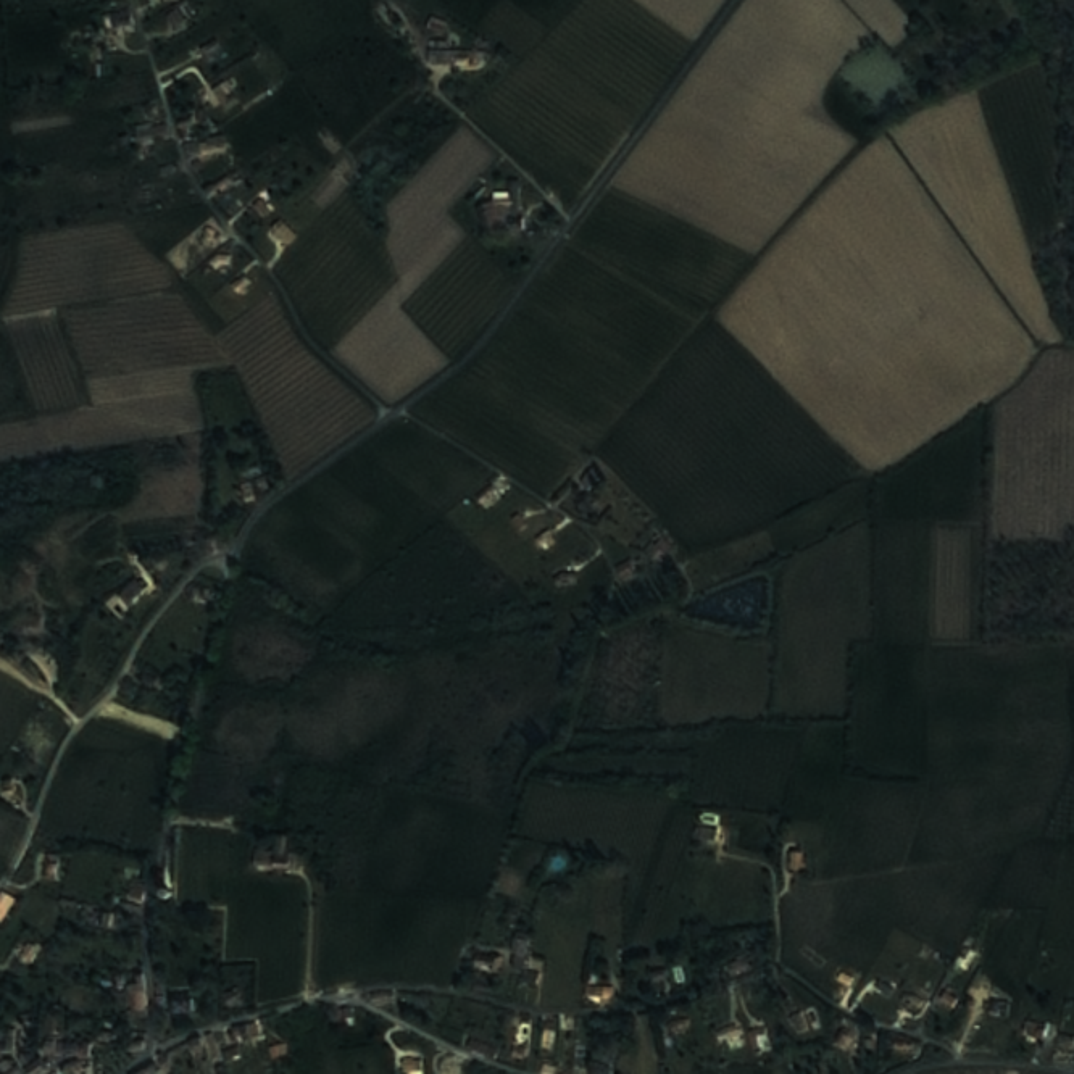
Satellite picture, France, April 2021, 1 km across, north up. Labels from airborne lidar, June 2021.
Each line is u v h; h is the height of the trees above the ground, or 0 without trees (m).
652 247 0
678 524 0
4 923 7
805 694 0
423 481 0
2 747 0
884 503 0
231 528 11
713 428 0
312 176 7
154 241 0
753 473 0
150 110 0
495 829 0
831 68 0
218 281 0
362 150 0
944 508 0
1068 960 0
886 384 0
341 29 0
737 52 0
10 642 11
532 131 0
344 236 0
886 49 8
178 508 0
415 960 0
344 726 0
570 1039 9
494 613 8
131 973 8
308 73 0
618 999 10
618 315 0
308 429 0
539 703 0
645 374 0
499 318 0
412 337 0
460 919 0
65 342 0
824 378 0
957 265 0
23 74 0
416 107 0
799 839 0
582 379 0
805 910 0
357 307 0
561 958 0
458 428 0
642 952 8
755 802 0
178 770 12
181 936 0
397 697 0
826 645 0
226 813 0
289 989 0
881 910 0
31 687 0
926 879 0
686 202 0
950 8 0
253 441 11
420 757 0
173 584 7
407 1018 15
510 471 0
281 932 0
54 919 0
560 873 0
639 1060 0
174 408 0
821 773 0
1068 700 0
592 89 0
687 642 0
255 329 0
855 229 0
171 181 0
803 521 0
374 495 0
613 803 0
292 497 0
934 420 0
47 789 0
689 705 0
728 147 0
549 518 7
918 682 0
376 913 0
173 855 12
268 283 0
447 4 0
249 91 0
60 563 0
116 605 0
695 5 0
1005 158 0
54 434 0
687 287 0
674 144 0
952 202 0
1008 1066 0
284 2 0
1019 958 0
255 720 0
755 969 7
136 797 0
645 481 0
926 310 0
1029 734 0
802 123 0
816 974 0
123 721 0
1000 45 16
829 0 0
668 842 0
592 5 0
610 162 0
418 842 0
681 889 0
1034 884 0
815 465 0
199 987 18
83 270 0
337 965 0
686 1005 12
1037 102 0
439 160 0
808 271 0
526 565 0
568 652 7
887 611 0
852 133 0
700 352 0
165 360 0
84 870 0
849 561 0
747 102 0
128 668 0
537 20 0
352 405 0
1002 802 0
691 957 10
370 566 0
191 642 0
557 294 0
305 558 0
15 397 0
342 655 8
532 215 0
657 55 0
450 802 0
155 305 0
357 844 0
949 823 0
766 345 0
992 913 0
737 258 0
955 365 0
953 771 0
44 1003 12
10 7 6
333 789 0
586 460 10
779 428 0
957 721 0
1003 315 0
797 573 0
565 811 0
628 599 0
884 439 0
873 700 0
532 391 0
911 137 0
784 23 0
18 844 0
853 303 0
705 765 0
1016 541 8
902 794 0
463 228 0
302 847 6
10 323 0
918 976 0
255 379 0
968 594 0
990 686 0
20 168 12
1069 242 11
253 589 7
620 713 7
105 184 0
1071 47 17
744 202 0
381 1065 0
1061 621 7
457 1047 6
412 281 0
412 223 0
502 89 0
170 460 6
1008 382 0
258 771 0
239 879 0
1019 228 0
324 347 0
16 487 10
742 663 0
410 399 0
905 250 0
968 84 19
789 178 0
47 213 0
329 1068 0
